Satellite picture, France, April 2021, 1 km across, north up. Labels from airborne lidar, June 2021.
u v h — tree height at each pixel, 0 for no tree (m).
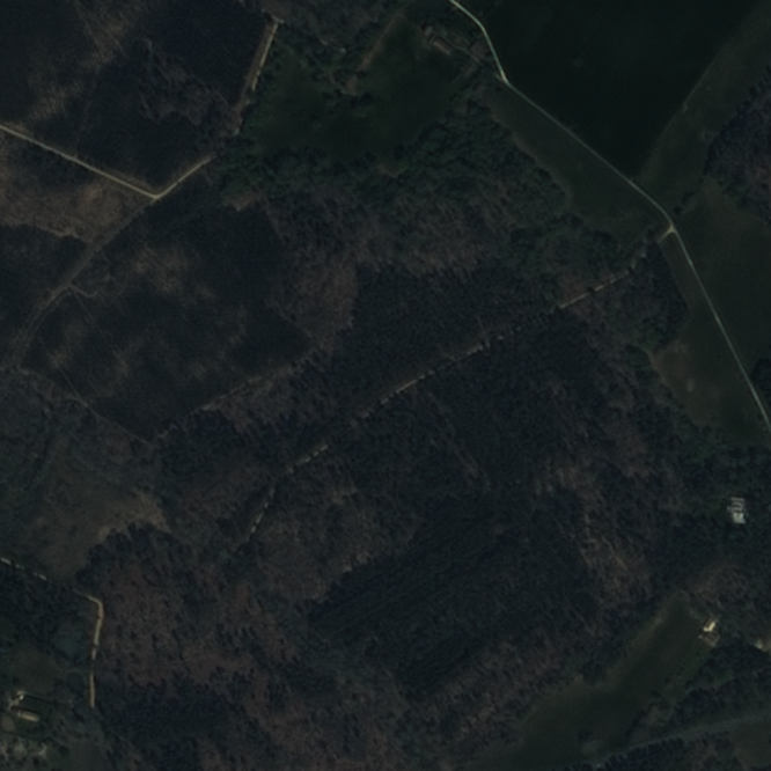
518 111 0
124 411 7
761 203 11
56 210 0
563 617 19
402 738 17
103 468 19
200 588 25
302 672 22
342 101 12
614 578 17
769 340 0
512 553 22
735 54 0
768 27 0
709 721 12
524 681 12
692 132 0
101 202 0
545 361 18
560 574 14
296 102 0
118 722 15
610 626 18
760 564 22
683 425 17
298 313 10
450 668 15
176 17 8
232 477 10
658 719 0
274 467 20
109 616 11
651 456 7
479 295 22
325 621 21
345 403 20
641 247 10
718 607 12
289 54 0
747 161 22
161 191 0
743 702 19
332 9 11
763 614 22
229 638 18
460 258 14
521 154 14
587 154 0
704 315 0
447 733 17
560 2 0
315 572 7
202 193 8
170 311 7
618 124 0
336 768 13
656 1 0
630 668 0
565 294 15
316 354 8
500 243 20
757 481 16
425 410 8
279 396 11
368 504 9
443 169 23
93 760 0
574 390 15
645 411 16
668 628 0
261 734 18
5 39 10
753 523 9
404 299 20
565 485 12
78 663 9
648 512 18
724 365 0
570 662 16
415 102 0
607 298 7
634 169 0
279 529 10
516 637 12
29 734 8
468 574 19
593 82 0
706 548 22
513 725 13
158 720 21
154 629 8
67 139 9
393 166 0
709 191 0
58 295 0
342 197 11
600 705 0
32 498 10
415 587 20
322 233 15
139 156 6
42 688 0
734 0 0
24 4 10
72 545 0
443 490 16
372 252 13
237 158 26
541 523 18
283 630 19
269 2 13
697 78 0
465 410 19
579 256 11
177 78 7
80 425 9
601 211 0
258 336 6
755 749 0
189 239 7
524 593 16
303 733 13
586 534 15
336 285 11
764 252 0
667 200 0
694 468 20
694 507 15
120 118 8
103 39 0
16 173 0
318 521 9
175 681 6
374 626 13
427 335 20
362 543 7
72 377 7
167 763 6
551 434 17
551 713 0
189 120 11
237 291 8
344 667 20
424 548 15
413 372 21
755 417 0
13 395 7
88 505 0
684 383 0
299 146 0
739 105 0
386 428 21
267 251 11
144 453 16
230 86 8
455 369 20
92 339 7
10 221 0
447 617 20
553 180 15
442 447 14
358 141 0
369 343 18
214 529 19
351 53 16
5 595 13
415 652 21
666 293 14
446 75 0
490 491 14
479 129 17
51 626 17
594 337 11
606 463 13
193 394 6
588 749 20
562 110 0
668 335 13
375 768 6
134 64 7
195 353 7
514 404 9
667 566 22
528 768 0
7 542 7
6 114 8
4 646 9
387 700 12
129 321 8
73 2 9
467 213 17
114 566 11
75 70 7
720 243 0
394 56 0
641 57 0
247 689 17
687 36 0
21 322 8
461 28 0
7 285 9
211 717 20
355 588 12
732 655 19
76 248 8
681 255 0
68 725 18
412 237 21
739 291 0
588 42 0
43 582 16
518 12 0
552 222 17
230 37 8
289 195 15
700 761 10
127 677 11
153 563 25
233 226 8
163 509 7
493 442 17
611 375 15
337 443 13
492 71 14
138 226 7
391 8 14
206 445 26
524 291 21
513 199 14
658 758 17
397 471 8
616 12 0
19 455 12
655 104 0
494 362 21
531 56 0
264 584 17
